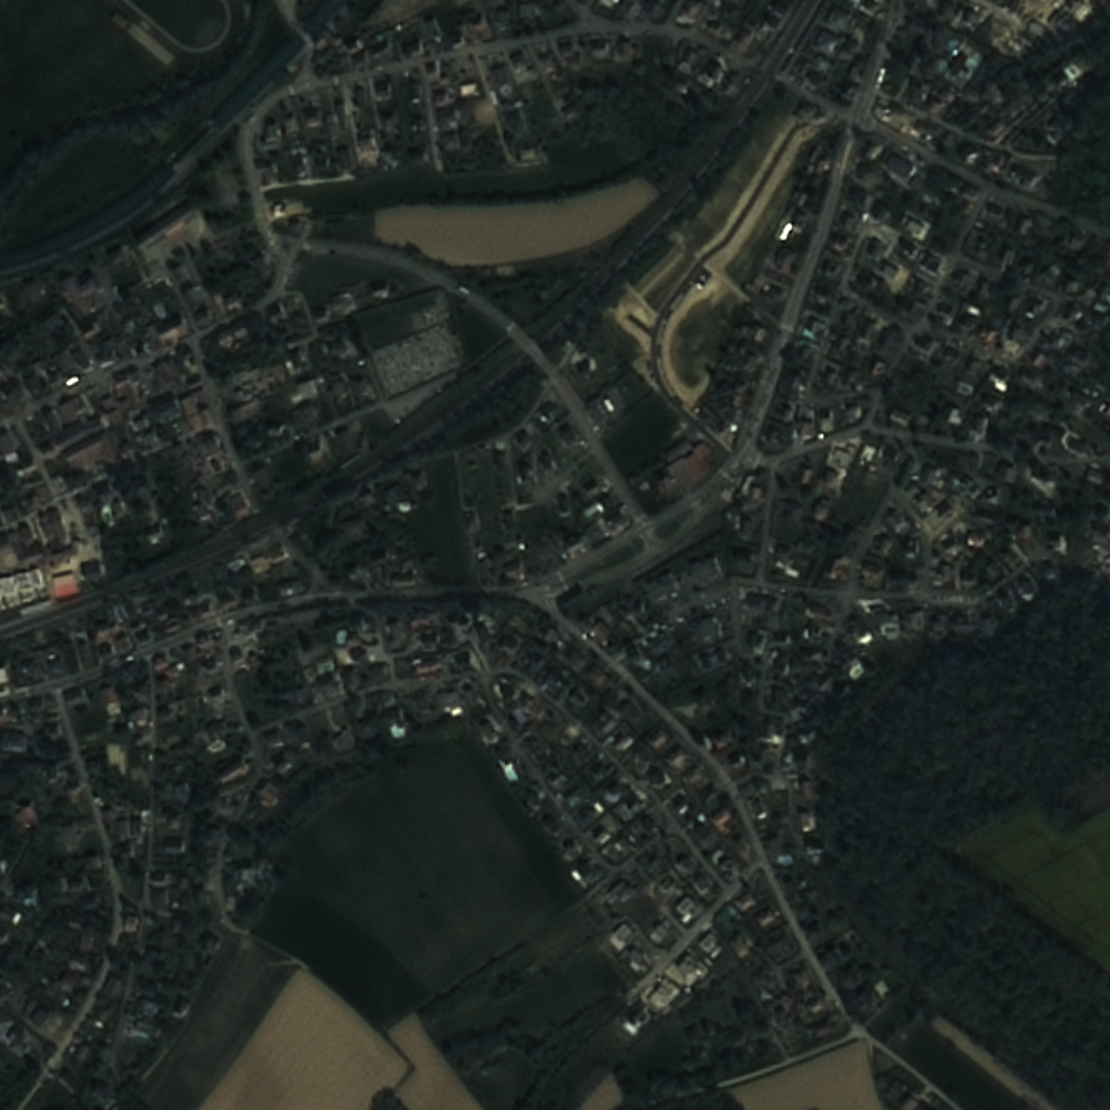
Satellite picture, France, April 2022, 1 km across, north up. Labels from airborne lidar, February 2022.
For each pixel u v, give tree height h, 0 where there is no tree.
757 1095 0
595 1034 0
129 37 0
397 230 0
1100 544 0
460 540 0
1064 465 0
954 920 9
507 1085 0
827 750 24
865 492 0
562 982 0
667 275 0
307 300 0
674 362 0
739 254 0
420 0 0
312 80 0
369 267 0
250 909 16
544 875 0
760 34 0
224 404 0
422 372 0
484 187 0
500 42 0
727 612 0
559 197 12
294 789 0
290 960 0
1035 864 0
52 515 0
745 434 0
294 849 0
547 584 0
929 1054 0
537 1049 14
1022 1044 25
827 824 23
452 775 0
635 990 0
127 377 0
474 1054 16
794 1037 0
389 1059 0
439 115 0
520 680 0
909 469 8
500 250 0
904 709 25
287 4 0
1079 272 12
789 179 0
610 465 0
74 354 0
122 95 0
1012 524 8
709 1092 19
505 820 0
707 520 0
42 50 0
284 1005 0
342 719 0
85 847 0
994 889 22
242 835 16
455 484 0
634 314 0
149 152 16
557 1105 14
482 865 0
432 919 0
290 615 12
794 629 0
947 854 21
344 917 0
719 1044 9
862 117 0
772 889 0
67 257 14
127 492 6
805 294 0
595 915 11
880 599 0
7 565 0
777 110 0
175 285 0
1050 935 24
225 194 0
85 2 0
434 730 7
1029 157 0
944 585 0
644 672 0
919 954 30
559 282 8
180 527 12
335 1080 0
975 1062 0
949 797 25
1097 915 0
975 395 6
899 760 9
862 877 22
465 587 13
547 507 0
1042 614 23
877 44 0
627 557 0
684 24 0
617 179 9
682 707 0
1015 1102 0
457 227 0
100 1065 6
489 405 15
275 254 0
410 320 0
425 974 0
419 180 0
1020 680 25
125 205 0
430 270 0
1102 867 0
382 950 0
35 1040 0
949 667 28
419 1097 0
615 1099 0
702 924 0
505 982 13
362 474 0
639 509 0
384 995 0
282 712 9
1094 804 0
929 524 0
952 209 20
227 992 0
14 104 0
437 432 0
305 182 0
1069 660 29
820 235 0
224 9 0
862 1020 11
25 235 0
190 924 16
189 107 16
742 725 10
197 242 0
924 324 0
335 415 0
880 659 0
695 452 0
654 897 0
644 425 0
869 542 0
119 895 0
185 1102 0
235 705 0
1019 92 14
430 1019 11
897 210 0
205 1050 0
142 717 0
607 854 0
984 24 0
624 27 0
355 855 0
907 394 7
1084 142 22
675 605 0
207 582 0
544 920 0
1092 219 12
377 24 0
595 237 0
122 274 0
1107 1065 25
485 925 0
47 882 15
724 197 0
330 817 0
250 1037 0
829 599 0
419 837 0
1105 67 21
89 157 0
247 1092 0
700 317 0
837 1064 0
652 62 0
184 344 0
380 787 0
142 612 0
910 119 0
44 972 0
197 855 8
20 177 18
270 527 0
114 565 14
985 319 0
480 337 0
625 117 10
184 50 0
